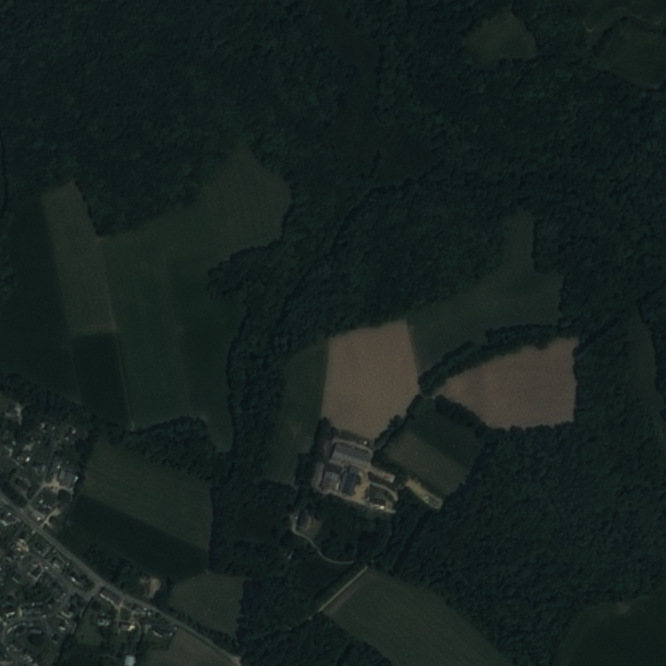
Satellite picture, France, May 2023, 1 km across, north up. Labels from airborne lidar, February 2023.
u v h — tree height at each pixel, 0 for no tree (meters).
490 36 0
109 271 0
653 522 23
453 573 20
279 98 21
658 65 0
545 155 19
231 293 19
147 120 21
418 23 19
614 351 9
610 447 30
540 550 21
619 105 17
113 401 0
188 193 25
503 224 17
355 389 0
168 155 21
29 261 0
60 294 0
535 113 21
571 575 20
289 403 0
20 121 15
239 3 20
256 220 0
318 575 0
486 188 17
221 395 0
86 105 17
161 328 0
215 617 0
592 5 0
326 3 0
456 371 18
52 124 20
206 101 19
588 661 0
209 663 0
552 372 0
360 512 0
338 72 19
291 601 19
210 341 0
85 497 0
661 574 22
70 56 13
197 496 0
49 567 0
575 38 14
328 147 19
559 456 25
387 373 0
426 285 15
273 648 15
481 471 25
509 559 19
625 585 20
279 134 22
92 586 7
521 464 23
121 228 18
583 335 20
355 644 5
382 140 0
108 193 20
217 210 0
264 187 0
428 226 19
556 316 0
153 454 20
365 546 17
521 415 0
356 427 0
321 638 8
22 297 0
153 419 0
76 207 0
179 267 0
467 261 18
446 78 22
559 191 14
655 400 0
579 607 28
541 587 22
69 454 0
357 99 0
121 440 20
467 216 14
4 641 0
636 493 26
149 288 0
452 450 0
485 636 12
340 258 24
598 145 19
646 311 22
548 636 24
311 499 22
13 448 6
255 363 29
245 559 28
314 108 23
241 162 0
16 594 9
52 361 0
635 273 7
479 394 0
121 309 0
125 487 0
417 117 15
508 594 19
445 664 0
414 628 0
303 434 0
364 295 21
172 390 0
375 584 0
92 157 16
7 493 10
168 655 0
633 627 0
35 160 18
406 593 0
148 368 0
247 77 21
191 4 18
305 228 23
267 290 22
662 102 18
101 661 12
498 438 19
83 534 0
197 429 21
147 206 20
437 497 0
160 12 14
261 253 20
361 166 0
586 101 20
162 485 0
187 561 0
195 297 0
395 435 10
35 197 16
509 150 16
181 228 0
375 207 19
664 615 0
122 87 18
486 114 20
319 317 20
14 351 0
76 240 0
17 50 20
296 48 24
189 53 15
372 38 10
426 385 16
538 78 17
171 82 16
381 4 18
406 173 0
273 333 9
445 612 0
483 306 0
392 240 15
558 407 0
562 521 20
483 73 15
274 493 21
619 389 12
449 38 20
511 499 19
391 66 16
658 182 22
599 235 25
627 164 21
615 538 11
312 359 0
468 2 22
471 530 24
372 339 0
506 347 20
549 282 0
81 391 0
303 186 15
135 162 21
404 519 24
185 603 0
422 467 0
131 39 17
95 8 12
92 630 0
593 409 22
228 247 0
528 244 0
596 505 27
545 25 19
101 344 0
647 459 13
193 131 18
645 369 0
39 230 0
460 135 16
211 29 16
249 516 0
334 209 21
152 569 0
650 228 21
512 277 0
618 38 0
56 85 15
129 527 0
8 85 15
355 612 0
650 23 0
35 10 14
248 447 25
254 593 29
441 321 0
